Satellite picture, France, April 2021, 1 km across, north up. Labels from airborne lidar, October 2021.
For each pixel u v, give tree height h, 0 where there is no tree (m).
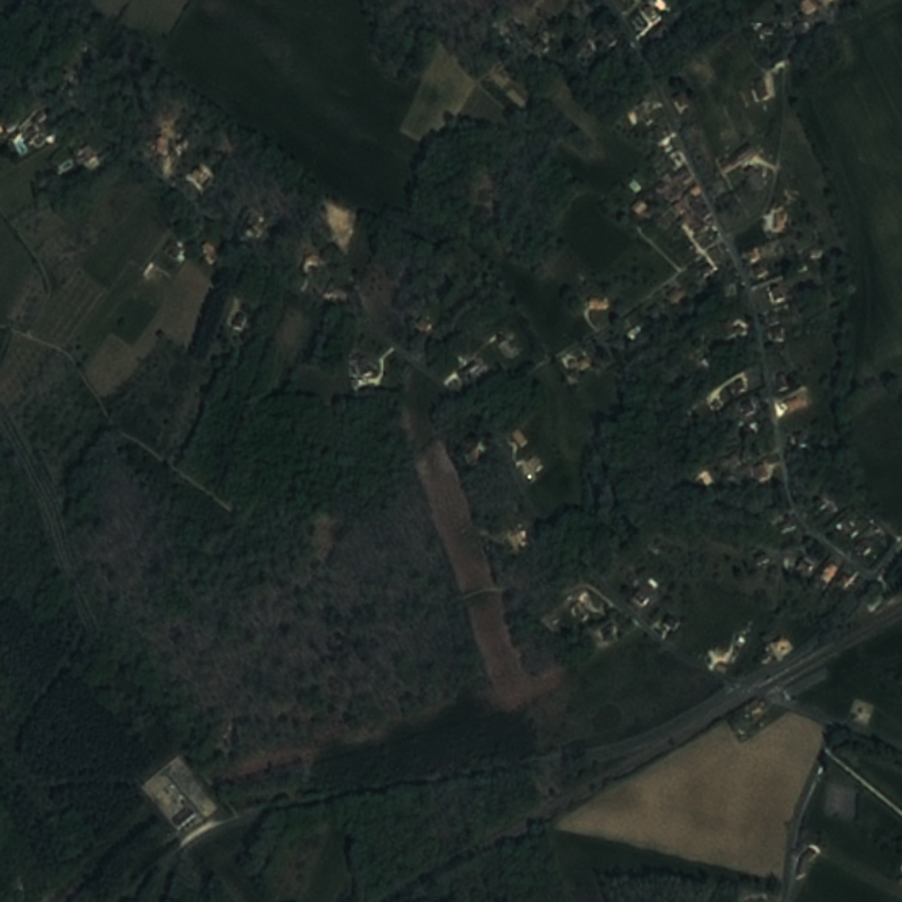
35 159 0
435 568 16
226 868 0
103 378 0
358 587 21
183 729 23
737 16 19
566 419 0
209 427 14
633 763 0
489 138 28
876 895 0
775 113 0
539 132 14
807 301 20
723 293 14
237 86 0
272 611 14
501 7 13
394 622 18
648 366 17
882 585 10
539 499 0
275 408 18
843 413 22
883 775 0
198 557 12
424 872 14
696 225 0
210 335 15
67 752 20
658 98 0
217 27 0
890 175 0
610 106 17
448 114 0
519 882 23
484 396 20
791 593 7
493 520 13
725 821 0
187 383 6
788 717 0
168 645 15
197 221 18
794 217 0
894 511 0
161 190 12
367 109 0
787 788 0
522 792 19
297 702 12
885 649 0
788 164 0
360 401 13
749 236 0
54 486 33
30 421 11
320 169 0
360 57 0
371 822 25
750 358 19
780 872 0
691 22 16
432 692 21
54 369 10
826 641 12
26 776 7
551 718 0
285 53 0
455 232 15
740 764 0
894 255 0
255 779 14
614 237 0
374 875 20
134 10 0
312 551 17
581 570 16
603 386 0
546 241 17
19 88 14
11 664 18
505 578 17
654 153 7
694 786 0
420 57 24
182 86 14
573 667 12
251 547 12
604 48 13
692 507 19
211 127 15
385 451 15
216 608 15
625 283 11
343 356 7
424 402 0
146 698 21
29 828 20
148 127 14
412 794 20
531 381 14
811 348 0
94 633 33
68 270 0
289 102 0
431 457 0
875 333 0
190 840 0
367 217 11
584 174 0
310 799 15
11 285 0
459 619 18
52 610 23
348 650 28
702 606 0
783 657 0
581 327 0
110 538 15
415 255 19
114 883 19
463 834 10
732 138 0
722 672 0
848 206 0
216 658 17
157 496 13
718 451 14
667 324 16
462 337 13
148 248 0
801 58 20
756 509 23
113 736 16
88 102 21
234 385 17
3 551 11
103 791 20
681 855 0
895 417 0
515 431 17
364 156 0
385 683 20
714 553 0
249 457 17
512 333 0
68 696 19
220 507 6
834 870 0
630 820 0
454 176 21
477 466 14
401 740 0
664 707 0
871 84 0
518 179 19
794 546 16
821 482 21
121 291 0
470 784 15
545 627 13
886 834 5
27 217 9
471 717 0
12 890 14
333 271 11
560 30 18
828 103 0
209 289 0
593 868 0
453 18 19
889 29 0
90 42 18
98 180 17
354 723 20
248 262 22
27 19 19
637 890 22
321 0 0
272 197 21
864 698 0
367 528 18
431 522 16
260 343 15
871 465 0
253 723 18
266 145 15
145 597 16
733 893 17
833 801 0
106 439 17
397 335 12
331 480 10
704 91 0
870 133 0
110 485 16
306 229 23
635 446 18
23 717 13
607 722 0
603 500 18
